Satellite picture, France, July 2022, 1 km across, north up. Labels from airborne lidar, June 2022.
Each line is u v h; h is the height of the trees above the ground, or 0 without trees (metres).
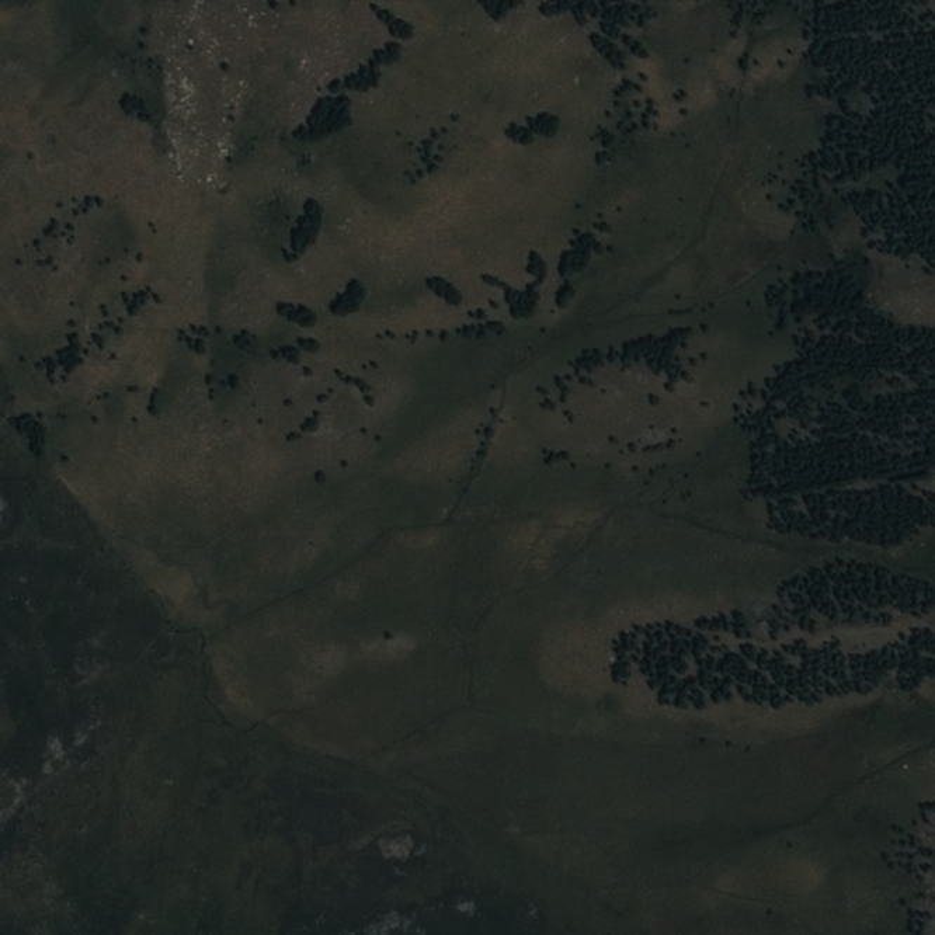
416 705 0
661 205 0
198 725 0
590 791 0
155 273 0
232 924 0
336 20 0
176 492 0
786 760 0
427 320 0
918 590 18
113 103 0
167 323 0
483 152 0
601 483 0
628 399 0
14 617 0
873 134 19
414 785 0
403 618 0
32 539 0
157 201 0
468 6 0
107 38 0
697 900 0
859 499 21
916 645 21
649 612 0
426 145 11
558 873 0
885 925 0
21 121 0
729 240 0
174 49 0
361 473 0
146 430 0
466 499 0
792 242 0
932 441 17
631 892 0
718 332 0
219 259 0
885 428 16
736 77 0
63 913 0
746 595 0
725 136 0
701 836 0
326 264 0
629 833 0
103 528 0
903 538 22
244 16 0
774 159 0
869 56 15
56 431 0
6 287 0
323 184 0
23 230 0
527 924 0
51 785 0
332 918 0
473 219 0
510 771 0
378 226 0
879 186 0
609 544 0
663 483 0
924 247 19
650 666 19
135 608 0
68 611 0
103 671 0
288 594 0
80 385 0
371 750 0
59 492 0
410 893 0
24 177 0
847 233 0
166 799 0
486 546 0
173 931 0
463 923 0
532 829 0
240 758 0
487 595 0
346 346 0
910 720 0
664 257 0
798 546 0
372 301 0
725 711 0
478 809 0
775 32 0
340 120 18
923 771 0
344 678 0
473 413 0
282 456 0
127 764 0
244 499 0
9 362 0
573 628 0
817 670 17
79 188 0
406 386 0
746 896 0
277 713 0
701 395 0
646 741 0
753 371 0
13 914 0
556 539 0
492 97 0
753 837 0
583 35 0
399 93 0
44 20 0
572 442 0
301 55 0
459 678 0
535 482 0
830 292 23
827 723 0
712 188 0
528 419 0
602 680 0
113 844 0
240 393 0
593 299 0
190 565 0
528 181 0
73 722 0
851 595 18
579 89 0
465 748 0
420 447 0
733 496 0
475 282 0
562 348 0
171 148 0
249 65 0
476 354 0
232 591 0
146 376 0
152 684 0
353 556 0
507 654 0
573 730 0
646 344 17
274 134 0
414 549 0
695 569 0
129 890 0
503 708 0
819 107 0
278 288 0
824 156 17
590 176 0
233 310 0
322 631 0
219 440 0
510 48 0
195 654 0
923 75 21
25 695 0
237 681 0
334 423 0
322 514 0
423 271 0
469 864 0
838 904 0
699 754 0
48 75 0
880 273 0
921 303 0
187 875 0
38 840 0
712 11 0
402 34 18
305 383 0
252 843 0
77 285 0
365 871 0
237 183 0
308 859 0
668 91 0
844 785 0
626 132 7
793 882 0
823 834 0
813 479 19
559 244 0
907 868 9
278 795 0
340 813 0
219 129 0
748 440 0
